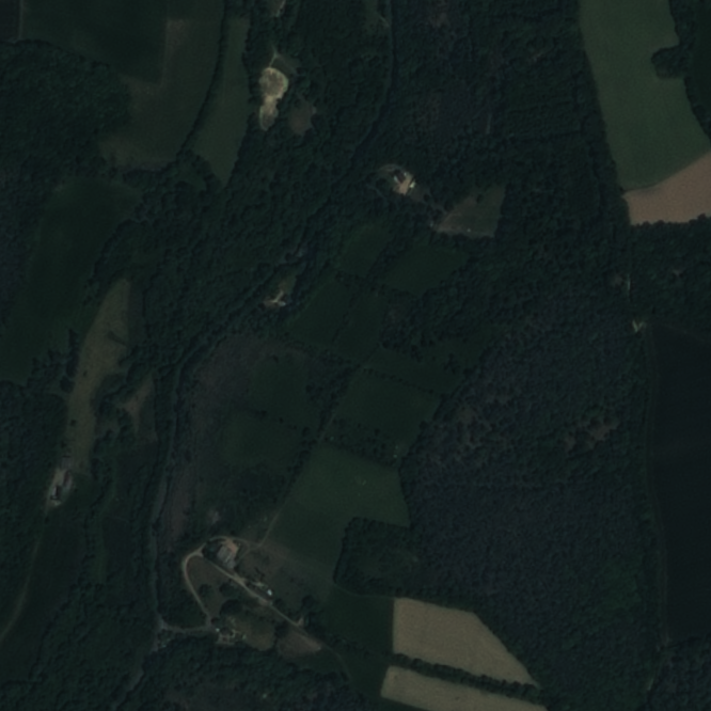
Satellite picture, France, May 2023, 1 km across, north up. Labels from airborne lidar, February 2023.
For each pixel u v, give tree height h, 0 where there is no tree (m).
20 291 12
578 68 19
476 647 0
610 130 0
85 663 9
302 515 0
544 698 12
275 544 0
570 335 12
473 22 19
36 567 0
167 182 14
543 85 8
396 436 0
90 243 0
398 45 17
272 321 17
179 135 0
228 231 9
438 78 22
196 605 9
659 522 0
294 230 17
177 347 14
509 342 15
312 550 0
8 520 17
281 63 0
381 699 0
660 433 0
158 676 18
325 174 19
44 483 13
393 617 0
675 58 15
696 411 0
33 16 0
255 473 0
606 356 17
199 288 9
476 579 16
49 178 12
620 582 17
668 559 0
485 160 19
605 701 19
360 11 6
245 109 0
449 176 22
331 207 24
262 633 0
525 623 16
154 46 0
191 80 0
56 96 16
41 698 11
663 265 12
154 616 14
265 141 24
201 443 0
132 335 0
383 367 0
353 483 0
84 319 0
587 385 18
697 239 18
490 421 18
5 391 18
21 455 24
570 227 24
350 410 0
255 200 7
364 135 14
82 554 0
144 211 16
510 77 21
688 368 0
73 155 19
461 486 14
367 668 0
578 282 14
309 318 0
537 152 23
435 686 0
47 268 0
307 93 13
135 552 7
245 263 0
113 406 10
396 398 0
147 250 24
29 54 20
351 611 0
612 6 0
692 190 0
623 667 15
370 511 0
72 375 26
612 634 17
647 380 9
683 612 0
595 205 7
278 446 0
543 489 9
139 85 0
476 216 0
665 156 0
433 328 16
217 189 20
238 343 0
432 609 0
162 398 10
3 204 13
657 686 12
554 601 12
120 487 0
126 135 0
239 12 20
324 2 6
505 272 16
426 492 15
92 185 0
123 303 0
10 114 15
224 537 0
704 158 0
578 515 15
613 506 18
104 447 13
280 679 17
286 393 0
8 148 15
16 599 13
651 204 0
